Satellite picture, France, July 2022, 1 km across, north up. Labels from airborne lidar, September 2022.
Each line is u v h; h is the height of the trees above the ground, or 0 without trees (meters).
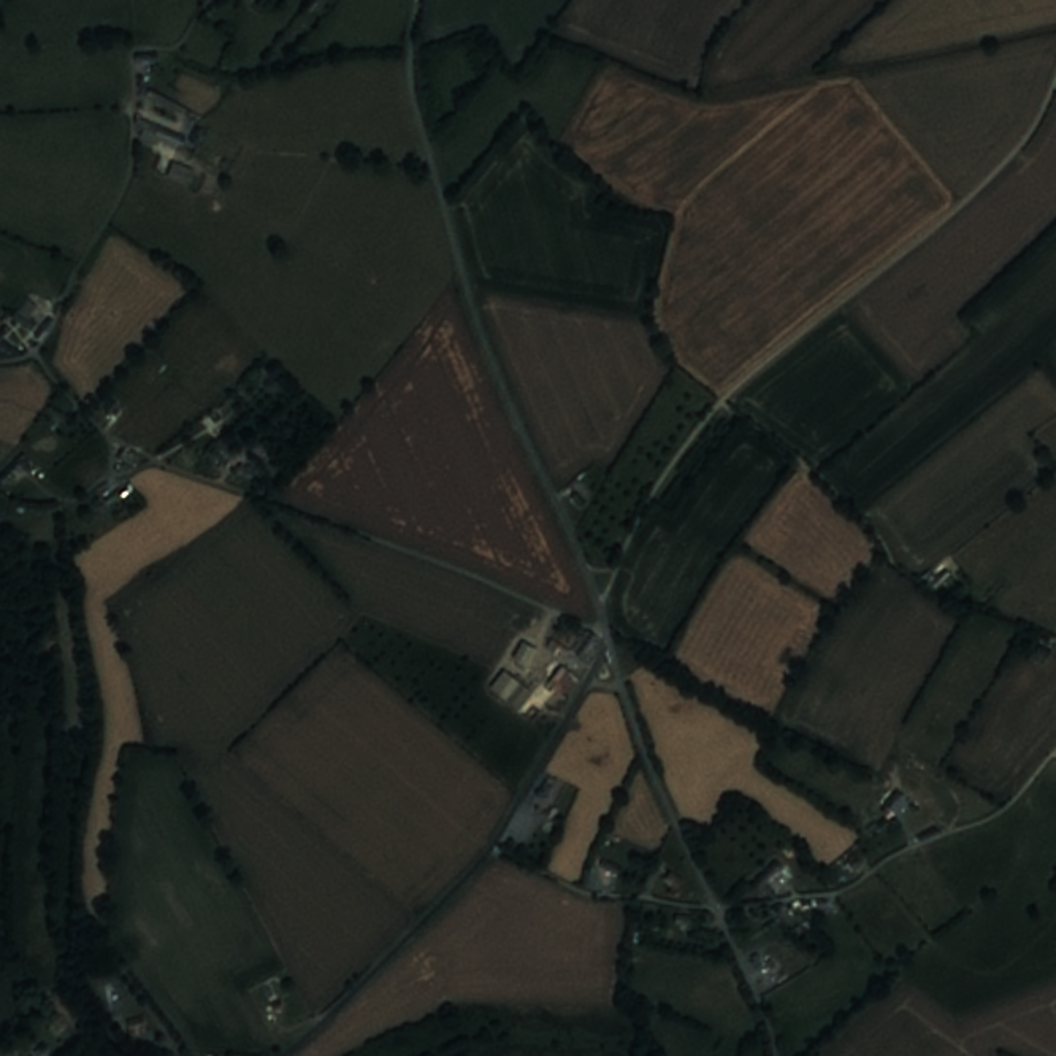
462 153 0
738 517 0
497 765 0
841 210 0
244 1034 0
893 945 0
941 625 0
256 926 0
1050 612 0
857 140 0
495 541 0
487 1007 0
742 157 0
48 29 0
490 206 0
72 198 0
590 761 0
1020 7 0
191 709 0
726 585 0
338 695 0
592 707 0
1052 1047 0
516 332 0
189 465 0
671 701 0
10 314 7
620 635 9
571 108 0
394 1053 0
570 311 0
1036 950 0
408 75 0
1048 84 0
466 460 0
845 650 0
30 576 12
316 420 10
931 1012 0
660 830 0
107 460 0
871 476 0
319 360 0
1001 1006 0
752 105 0
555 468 0
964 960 0
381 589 0
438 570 0
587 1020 0
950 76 0
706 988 0
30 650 12
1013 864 0
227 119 0
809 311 0
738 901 8
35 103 0
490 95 0
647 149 0
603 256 0
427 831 0
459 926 0
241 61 0
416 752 0
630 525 12
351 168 20
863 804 0
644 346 0
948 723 0
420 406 0
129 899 0
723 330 0
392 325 0
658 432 0
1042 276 0
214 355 0
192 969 0
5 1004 0
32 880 0
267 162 0
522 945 0
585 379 0
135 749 9
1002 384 0
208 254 0
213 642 0
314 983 0
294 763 0
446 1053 8
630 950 11
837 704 0
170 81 0
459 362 0
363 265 0
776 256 0
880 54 0
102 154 0
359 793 0
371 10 0
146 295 0
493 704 0
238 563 0
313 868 0
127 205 0
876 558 12
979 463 0
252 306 0
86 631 8
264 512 12
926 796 0
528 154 0
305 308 0
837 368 0
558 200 0
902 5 0
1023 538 0
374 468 0
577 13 0
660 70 0
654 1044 9
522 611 0
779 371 0
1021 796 0
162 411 0
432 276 0
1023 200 0
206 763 0
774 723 13
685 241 0
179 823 0
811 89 0
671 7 0
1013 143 0
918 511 0
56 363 0
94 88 0
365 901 0
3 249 0
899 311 0
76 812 9
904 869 0
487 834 0
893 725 0
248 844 0
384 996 0
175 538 0
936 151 0
